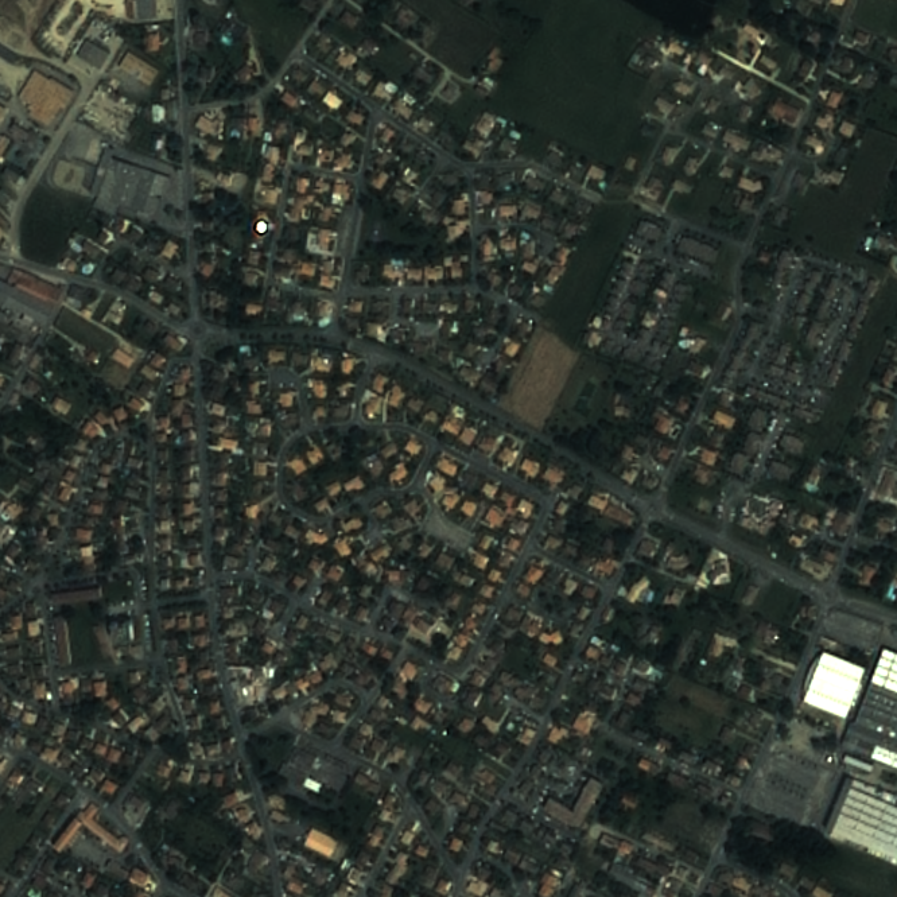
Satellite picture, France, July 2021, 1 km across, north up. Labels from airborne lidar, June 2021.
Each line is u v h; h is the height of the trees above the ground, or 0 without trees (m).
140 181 0
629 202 0
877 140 0
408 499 6
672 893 0
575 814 0
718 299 0
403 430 0
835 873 0
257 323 8
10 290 0
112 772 6
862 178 0
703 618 0
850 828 0
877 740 0
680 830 0
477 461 0
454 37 0
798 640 7
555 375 0
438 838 0
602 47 0
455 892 0
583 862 0
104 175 0
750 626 9
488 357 0
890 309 0
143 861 0
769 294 0
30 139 0
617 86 0
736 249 0
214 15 0
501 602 0
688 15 0
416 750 0
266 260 9
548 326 0
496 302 0
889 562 17
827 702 0
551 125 0
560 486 6
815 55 14
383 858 0
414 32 13
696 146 0
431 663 0
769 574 0
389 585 0
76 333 0
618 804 10
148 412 0
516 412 0
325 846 0
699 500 0
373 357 0
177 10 0
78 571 8
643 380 9
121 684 7
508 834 7
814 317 9
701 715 0
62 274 0
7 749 0
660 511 0
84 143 0
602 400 0
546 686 6
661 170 0
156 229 9
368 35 6
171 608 10
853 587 9
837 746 11
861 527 9
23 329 0
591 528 8
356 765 0
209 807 6
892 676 0
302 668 6
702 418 0
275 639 0
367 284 6
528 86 0
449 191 8
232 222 18
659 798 9
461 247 11
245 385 8
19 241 0
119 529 0
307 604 0
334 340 0
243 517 7
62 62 0
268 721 0
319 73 0
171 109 0
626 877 0
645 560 9
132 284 0
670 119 0
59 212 0
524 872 11
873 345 0
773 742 0
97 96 0
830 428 0
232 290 11
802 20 8
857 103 9
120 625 0
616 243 0
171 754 12
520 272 7
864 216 0
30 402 8
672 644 9
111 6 0
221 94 9
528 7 0
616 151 0
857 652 13
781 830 14
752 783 0
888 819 0
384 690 8
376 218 0
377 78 7
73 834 0
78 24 0
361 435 11
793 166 0
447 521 0
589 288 0
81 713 11
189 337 0
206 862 7
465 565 8
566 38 0
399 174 12
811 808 0
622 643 9
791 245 8
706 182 0
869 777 0
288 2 7
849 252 0
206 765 0
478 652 0
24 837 0
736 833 10
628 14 0
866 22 0
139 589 0
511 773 0
